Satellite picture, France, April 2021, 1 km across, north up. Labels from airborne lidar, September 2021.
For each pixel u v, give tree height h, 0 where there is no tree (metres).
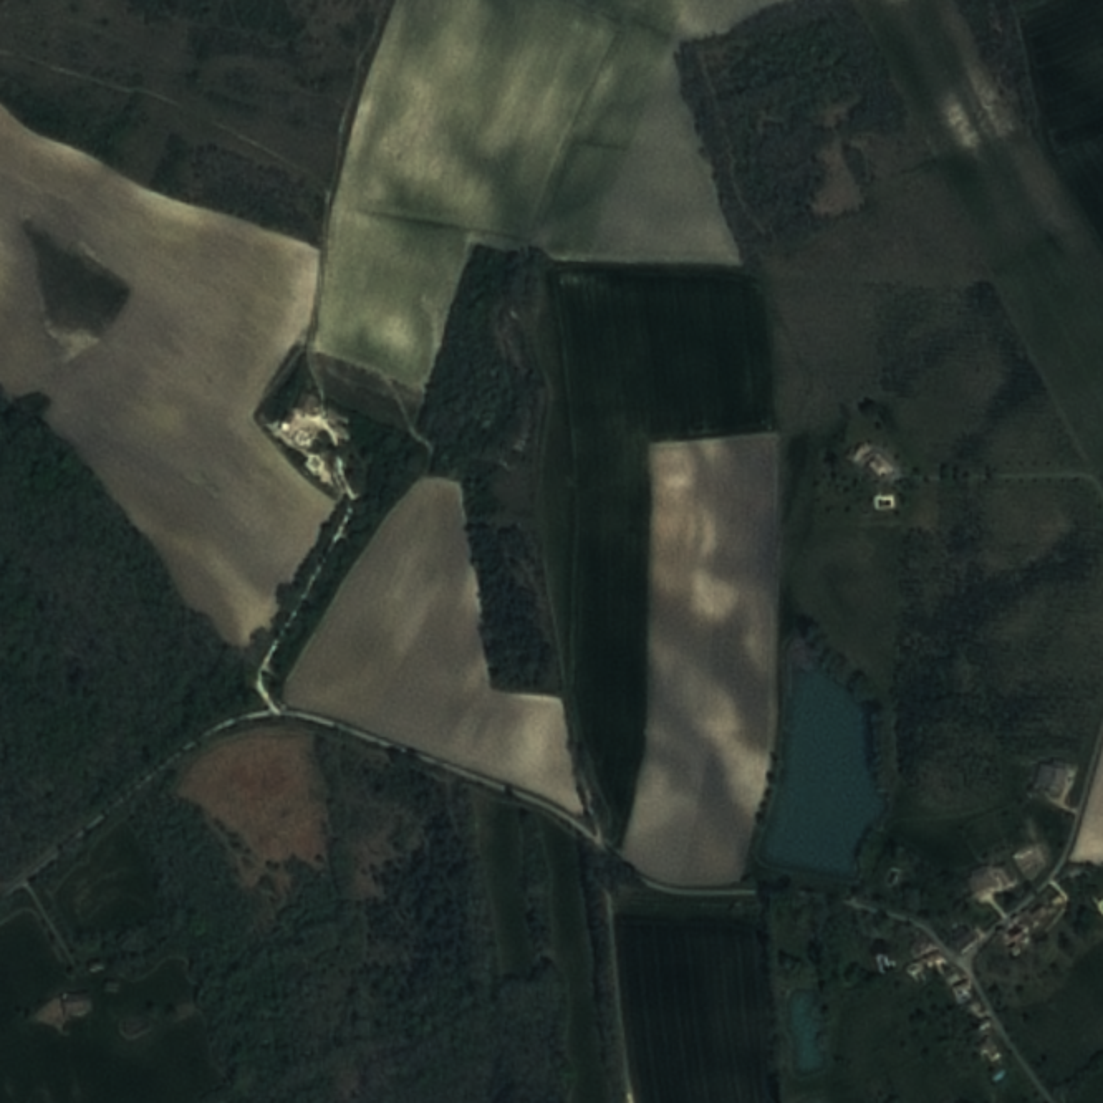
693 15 0
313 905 10
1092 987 0
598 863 16
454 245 0
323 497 0
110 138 8
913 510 0
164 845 11
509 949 0
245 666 19
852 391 6
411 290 0
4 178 0
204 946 11
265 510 0
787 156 18
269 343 0
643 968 0
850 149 10
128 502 0
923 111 0
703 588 0
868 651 0
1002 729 6
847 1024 0
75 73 0
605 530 0
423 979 17
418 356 0
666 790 0
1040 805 0
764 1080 0
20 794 17
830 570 0
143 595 16
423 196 0
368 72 0
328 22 0
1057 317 0
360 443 8
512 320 0
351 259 0
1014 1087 0
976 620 7
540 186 0
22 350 0
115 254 0
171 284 0
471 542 7
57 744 18
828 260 0
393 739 0
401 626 0
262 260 0
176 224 0
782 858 0
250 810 0
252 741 0
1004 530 0
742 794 0
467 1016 14
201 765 0
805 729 0
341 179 0
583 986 0
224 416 0
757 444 0
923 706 10
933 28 0
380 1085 18
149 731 16
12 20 0
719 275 0
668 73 0
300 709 0
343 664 0
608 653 0
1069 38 0
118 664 15
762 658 0
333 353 0
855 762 0
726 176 14
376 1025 6
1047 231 0
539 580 10
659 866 0
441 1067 19
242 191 20
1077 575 6
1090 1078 10
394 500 6
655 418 0
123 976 12
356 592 0
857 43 16
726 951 0
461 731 0
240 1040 8
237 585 0
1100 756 0
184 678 22
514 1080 14
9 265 0
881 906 14
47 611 17
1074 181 0
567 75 0
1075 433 0
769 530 0
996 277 0
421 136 0
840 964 19
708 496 0
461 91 0
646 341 0
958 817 0
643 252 0
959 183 0
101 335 0
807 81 8
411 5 0
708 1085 0
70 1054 0
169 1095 0
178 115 0
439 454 9
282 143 0
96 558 17
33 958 0
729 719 0
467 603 0
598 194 0
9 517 21
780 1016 12
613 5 0
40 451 20
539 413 7
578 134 0
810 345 6
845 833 0
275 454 0
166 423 0
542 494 0
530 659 9
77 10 0
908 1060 0
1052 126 0
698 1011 0
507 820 0
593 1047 0
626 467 0
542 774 0
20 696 17
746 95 15
